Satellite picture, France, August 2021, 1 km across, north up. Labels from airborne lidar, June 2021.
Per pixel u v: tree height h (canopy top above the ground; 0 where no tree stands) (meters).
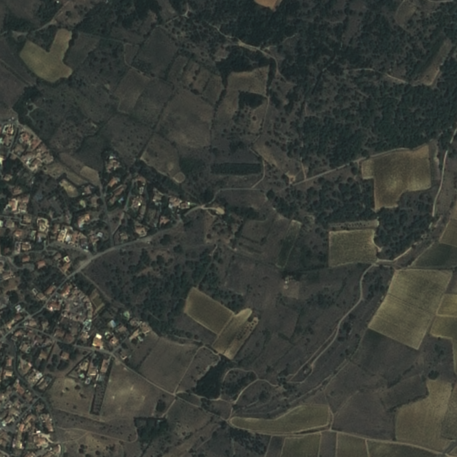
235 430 8
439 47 0
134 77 0
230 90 0
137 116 0
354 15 11
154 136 0
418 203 6
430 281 0
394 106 7
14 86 0
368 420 0
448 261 0
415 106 10
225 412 0
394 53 9
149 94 0
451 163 0
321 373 0
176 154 0
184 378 0
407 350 0
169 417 0
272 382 0
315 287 0
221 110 0
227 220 14
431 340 0
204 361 0
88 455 9
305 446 0
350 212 12
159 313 9
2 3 0
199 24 10
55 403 0
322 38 5
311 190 9
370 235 0
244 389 0
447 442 0
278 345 0
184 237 0
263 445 8
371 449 0
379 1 10
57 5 11
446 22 7
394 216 10
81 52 0
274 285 0
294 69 6
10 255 7
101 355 6
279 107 8
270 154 0
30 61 0
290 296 0
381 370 0
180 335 7
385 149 9
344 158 6
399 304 0
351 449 0
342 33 6
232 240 6
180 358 0
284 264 0
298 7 6
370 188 8
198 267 9
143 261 6
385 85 8
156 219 6
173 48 0
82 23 8
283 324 0
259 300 0
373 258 0
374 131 9
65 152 0
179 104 0
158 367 0
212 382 7
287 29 9
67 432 0
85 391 0
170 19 6
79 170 0
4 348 6
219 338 0
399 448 0
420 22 8
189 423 0
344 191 14
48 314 14
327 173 0
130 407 0
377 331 0
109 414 0
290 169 0
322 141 7
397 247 8
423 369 0
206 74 0
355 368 0
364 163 0
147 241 0
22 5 0
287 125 0
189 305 0
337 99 9
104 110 0
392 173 0
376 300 0
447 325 0
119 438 0
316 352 0
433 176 0
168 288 13
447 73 11
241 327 0
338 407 0
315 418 0
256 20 8
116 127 0
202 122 0
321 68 7
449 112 9
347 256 0
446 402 0
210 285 6
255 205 0
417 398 7
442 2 0
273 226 0
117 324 7
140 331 7
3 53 0
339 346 0
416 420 0
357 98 6
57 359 8
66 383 0
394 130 10
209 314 0
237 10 8
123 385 0
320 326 0
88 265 0
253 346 0
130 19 7
